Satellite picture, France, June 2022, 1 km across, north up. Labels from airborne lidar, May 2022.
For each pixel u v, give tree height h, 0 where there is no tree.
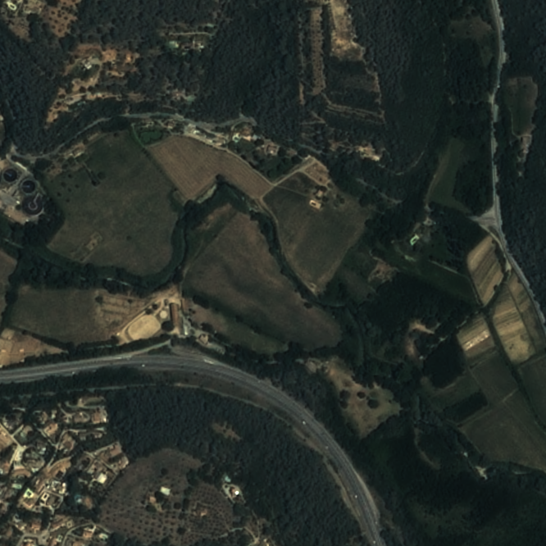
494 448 0
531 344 0
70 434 8
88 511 14
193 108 11
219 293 0
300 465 22
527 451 0
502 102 13
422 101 10
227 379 0
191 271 0
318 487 21
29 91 18
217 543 10
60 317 0
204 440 18
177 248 7
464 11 15
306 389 20
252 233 0
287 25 20
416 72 11
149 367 0
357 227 0
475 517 15
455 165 0
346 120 7
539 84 9
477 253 0
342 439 13
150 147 0
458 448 13
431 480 10
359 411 0
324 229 0
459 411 6
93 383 9
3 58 22
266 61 12
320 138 18
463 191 8
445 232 12
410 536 12
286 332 0
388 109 10
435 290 12
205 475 8
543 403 0
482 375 0
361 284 0
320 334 0
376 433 15
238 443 8
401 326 7
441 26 14
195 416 20
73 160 6
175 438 8
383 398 0
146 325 0
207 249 0
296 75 12
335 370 0
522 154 11
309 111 18
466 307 17
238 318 14
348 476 0
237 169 0
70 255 0
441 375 14
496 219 0
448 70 11
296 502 21
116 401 18
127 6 20
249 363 9
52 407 20
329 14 6
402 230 15
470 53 7
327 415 7
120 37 22
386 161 10
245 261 0
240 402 12
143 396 22
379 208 10
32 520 9
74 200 0
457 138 14
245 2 15
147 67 25
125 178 0
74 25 14
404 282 12
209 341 8
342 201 10
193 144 0
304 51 8
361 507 0
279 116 19
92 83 0
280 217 0
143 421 14
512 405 0
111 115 15
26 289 0
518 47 13
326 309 12
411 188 14
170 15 25
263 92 20
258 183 0
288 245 0
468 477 9
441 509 8
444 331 13
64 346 13
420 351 10
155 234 0
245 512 14
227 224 0
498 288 11
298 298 0
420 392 9
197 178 0
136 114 14
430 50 9
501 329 0
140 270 0
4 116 14
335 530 20
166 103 18
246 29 16
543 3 15
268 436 20
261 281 0
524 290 0
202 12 19
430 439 8
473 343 0
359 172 19
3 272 0
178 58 12
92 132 14
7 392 10
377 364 11
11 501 9
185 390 17
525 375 0
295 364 7
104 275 8
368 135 21
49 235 17
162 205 0
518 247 19
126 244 0
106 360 0
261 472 10
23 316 0
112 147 0
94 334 0
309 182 0
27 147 17
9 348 0
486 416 0
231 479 6
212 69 11
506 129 13
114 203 0
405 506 11
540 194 10
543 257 9
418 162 6
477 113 19
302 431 0
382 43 25
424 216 15
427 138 12
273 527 7
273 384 9
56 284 16
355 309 6
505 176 17
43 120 10
